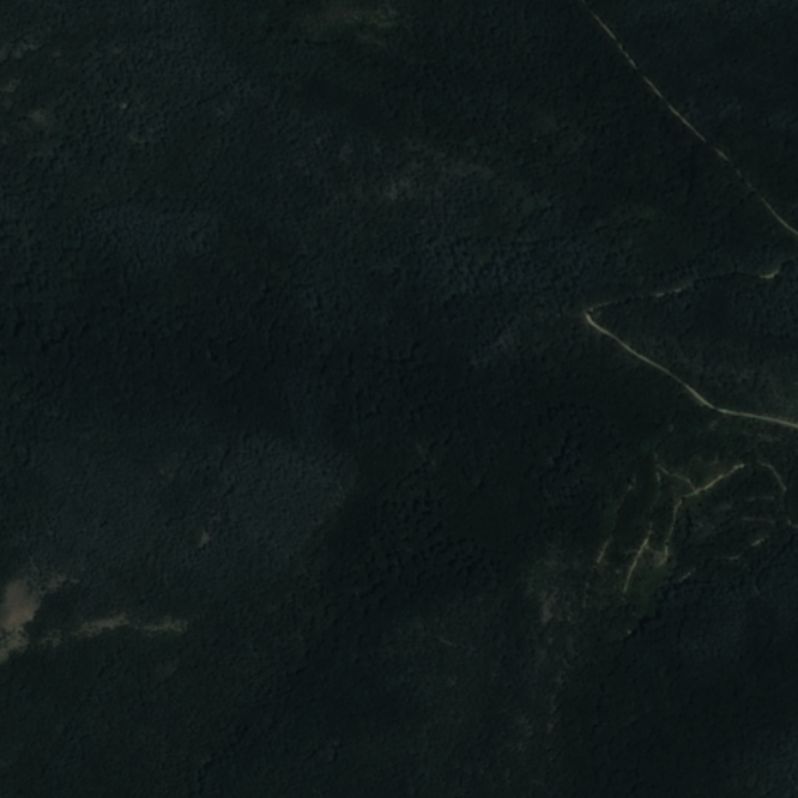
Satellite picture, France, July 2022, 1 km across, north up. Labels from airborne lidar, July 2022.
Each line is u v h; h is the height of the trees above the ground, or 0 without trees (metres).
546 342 10
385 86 19
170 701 13
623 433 12
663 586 8
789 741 11
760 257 18
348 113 14
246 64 16
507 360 11
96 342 26
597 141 12
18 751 7
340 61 23
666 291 10
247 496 17
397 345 24
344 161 8
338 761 16
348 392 31
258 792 14
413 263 14
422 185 13
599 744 23
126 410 16
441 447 19
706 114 16
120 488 12
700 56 17
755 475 14
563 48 11
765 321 23
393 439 22
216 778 15
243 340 26
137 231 16
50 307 21
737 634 21
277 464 17
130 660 14
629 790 7
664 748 19
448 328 20
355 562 20
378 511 26
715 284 21
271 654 12
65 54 8
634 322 8
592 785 18
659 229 15
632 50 15
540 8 20
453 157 13
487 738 10
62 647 8
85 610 7
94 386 22
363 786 16
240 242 20
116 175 17
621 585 6
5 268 23
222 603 10
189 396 22
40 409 15
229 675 16
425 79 10
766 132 16
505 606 15
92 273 22
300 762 14
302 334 21
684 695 19
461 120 12
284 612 16
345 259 20
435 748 10
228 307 27
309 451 15
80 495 11
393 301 19
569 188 18
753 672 20
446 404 21
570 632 12
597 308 7
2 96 7
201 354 23
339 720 19
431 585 17
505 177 7
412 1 13
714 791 15
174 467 11
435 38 19
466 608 9
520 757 8
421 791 15
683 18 17
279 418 23
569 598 11
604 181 18
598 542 18
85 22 10
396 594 19
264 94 9
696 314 19
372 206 7
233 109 7
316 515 15
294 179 10
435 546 29
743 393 6
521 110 16
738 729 15
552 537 16
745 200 17
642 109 12
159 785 21
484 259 6
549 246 16
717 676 18
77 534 12
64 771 11
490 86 12
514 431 25
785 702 16
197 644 18
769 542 14
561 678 6
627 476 9
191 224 24
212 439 14
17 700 15
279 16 6
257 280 21
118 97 14
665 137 18
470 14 14
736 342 11
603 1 17
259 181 9
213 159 14
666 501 6
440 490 17
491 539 12
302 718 17
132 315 24
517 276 21
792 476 10
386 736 12
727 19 12
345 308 22
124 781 12
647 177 12
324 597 16
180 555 13
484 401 21
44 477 9
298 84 20
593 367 12
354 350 21
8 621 0
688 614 17
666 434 8
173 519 19
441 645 8
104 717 14
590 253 20
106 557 12
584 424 28
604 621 18
